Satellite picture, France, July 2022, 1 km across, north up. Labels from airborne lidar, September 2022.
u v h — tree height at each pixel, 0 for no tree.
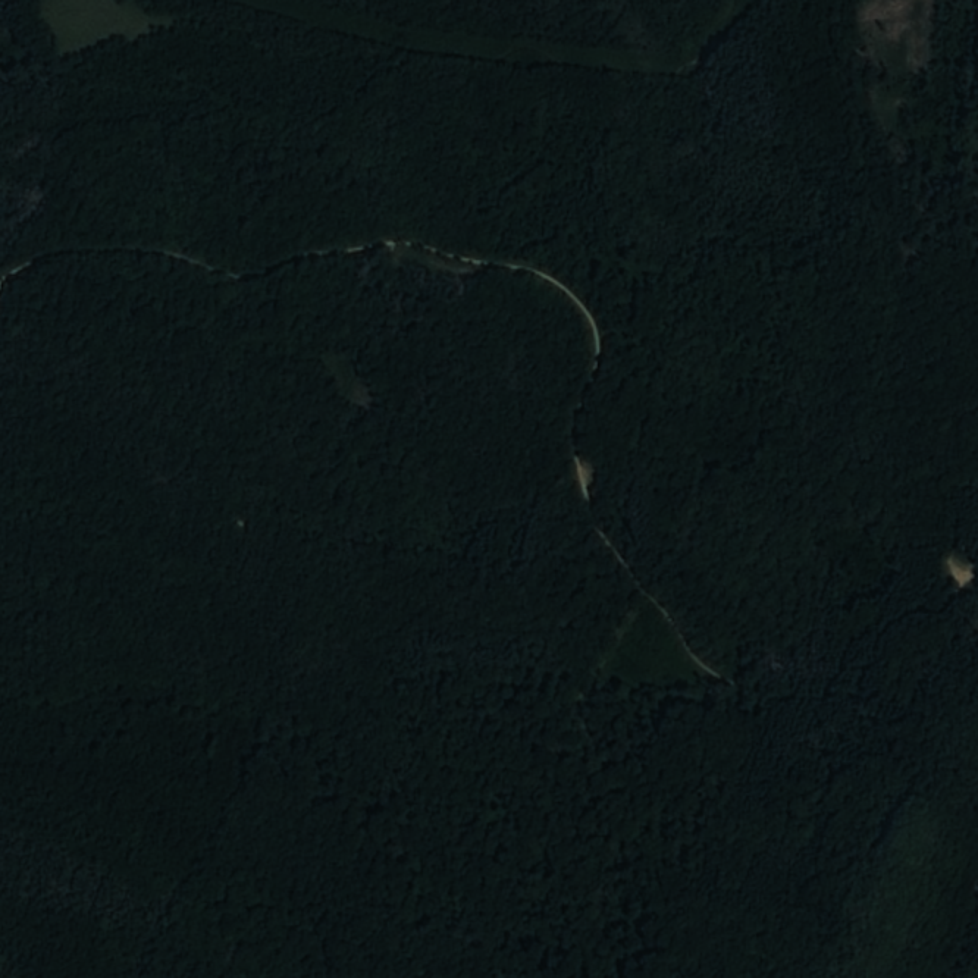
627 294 20
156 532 17
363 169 13
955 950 24
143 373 17
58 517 19
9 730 6
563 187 12
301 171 20
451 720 14
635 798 22
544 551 21
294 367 19
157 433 9
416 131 13
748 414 19
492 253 14
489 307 16
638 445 10
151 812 8
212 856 19
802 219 14
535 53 12
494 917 22
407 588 19
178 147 18
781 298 16
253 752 10
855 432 14
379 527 20
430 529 18
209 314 24
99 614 16
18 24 23
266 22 14
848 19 12
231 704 18
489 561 16
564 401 24
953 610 21
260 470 15
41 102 15
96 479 14
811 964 13
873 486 19
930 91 7
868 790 23
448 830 12
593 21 13
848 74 15
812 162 16
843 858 21
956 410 18
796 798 25
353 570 19
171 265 14
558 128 10
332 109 10
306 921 20
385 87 19
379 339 23
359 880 17
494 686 22
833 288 16
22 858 9
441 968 22
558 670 25
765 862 19
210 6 14
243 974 15
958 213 24
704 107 18
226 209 15
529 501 21
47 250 13
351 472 21
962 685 22
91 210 14
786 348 21
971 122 28
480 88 19
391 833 26
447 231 17
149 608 14
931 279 17
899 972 15
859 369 18
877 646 23
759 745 23
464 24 13
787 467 21
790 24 14
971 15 12
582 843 22
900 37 0
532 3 12
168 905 7
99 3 0
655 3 15
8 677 14
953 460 18
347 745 16
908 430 18
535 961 29
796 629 15
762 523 12
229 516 14
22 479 13
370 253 11
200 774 11
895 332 15
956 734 11
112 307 23
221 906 23
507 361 14
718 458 10
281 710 19
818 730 27
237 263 19
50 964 16
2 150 17
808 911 16
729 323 20
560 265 18
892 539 20
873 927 8
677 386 11
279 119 9
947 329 20
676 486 17
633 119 9
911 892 9
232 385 23
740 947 19
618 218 14
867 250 21
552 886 16
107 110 9
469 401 14
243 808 14
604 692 23
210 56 6
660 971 28
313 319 17
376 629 14
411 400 12
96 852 7
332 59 8
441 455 16
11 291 14
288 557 12
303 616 13
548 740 26
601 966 31
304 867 18
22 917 14
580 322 16
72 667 14
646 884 23
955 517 13
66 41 0
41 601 12
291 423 21
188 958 18
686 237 16
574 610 14
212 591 16
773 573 16
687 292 19
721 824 20
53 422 13
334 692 15
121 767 10
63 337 13
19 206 21
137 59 11
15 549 16
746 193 12
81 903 11
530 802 17
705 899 21
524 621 19
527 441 15
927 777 14
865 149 15
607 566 25
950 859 18
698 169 13
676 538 11
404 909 24
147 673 15
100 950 13
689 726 25
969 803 15
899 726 31
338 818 22
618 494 24
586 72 13
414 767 17
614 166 11
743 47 28
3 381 11
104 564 19
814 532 7
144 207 14
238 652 9
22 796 6
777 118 26
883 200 19
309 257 10
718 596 15
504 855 28
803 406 13
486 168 10
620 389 23
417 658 20
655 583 23
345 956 19
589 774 24
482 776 17
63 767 12
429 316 22
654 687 13
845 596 8
